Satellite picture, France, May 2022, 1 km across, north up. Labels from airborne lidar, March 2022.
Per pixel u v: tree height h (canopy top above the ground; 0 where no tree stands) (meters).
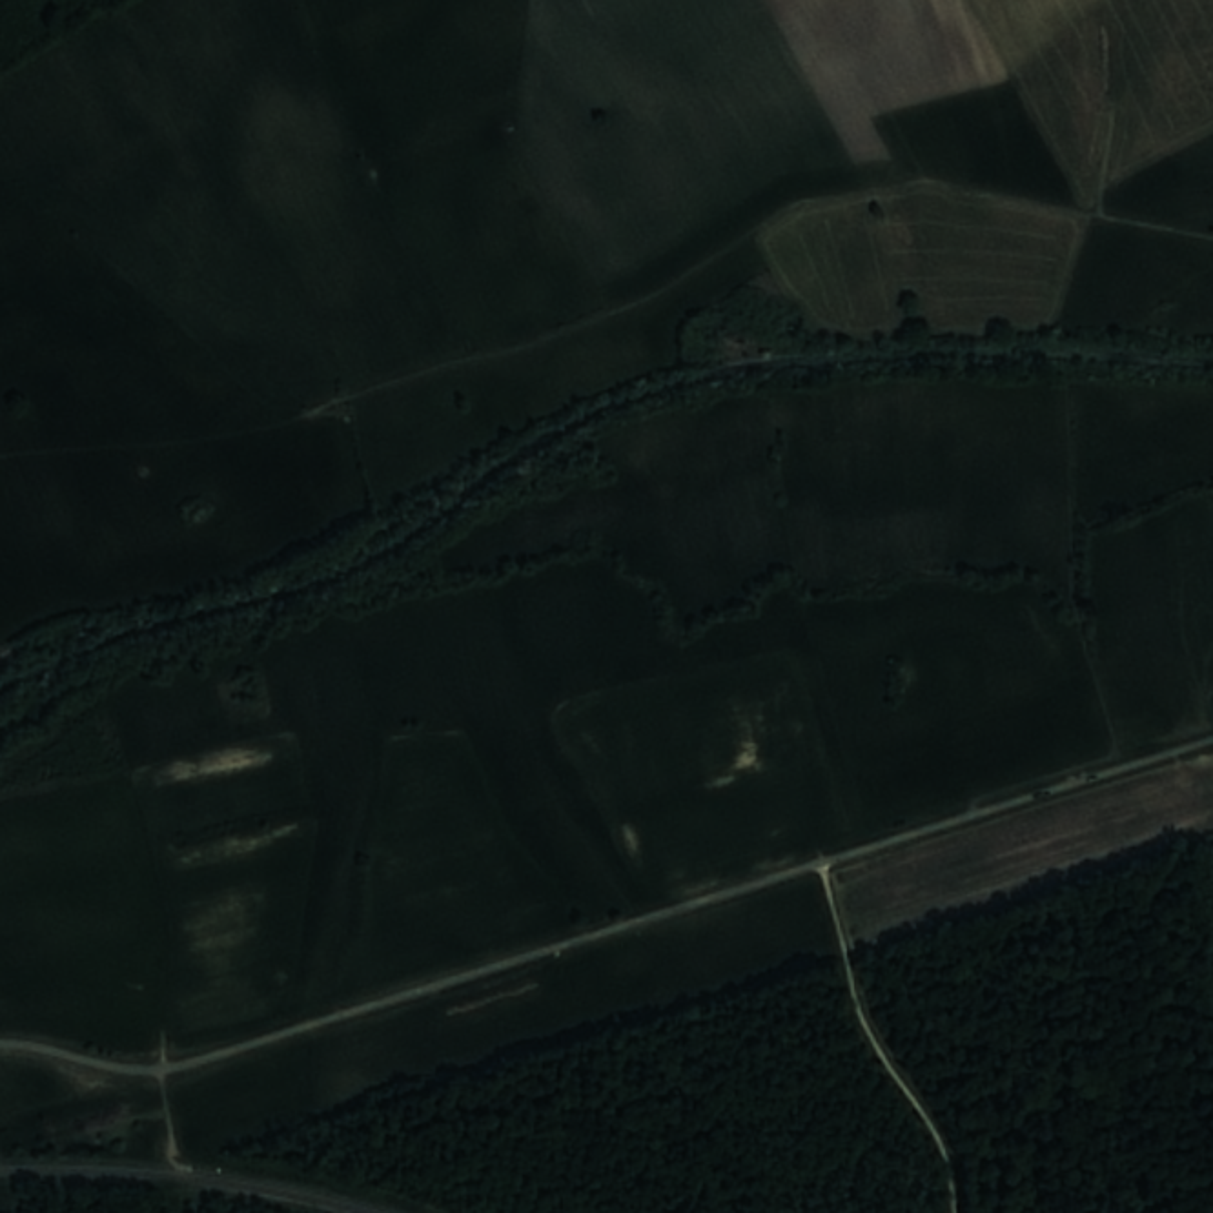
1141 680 0
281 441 0
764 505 0
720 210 0
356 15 0
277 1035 0
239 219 0
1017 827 0
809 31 0
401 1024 0
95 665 19
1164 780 0
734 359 0
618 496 0
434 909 0
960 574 11
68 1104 0
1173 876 27
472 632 0
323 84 0
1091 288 0
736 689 0
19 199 0
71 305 0
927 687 0
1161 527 0
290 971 0
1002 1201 29
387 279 0
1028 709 0
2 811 0
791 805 0
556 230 0
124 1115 0
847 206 0
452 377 0
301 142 0
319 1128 23
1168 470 0
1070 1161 29
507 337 0
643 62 0
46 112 0
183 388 0
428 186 0
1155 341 5
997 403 0
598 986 0
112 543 0
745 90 0
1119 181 0
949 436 0
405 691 0
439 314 0
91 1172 0
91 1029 0
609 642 0
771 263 0
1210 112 0
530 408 0
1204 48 0
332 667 0
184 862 0
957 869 0
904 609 0
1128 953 28
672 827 0
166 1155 0
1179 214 0
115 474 0
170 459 0
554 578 0
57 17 24
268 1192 0
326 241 0
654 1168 25
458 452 0
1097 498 0
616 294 0
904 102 0
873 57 0
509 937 0
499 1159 27
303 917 0
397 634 0
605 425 9
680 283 0
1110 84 0
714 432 0
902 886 0
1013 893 0
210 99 0
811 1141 23
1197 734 0
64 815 0
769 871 0
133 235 0
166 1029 0
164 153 0
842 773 0
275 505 0
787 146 0
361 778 0
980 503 0
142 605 11
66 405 0
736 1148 27
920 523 0
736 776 0
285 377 0
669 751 0
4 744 14
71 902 0
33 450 0
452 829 0
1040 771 0
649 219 0
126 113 0
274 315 0
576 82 0
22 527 0
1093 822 0
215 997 0
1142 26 0
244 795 0
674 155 0
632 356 0
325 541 15
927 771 0
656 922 0
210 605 7
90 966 0
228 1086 0
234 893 0
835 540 0
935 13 0
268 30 0
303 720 0
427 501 7
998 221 0
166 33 0
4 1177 0
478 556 0
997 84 0
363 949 0
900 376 9
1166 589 0
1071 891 26
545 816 0
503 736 0
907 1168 26
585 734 0
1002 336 18
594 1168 25
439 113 0
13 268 0
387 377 0
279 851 0
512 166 0
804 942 0
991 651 0
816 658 0
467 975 0
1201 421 0
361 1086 0
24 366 0
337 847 0
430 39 0
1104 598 0
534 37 0
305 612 19
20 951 0
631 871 0
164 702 0
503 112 0
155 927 0
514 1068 25
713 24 0
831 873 0
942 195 0
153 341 0
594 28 0
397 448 0
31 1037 0
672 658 0
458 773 0
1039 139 0
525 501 12
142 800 0
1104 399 0
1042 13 0
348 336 0
